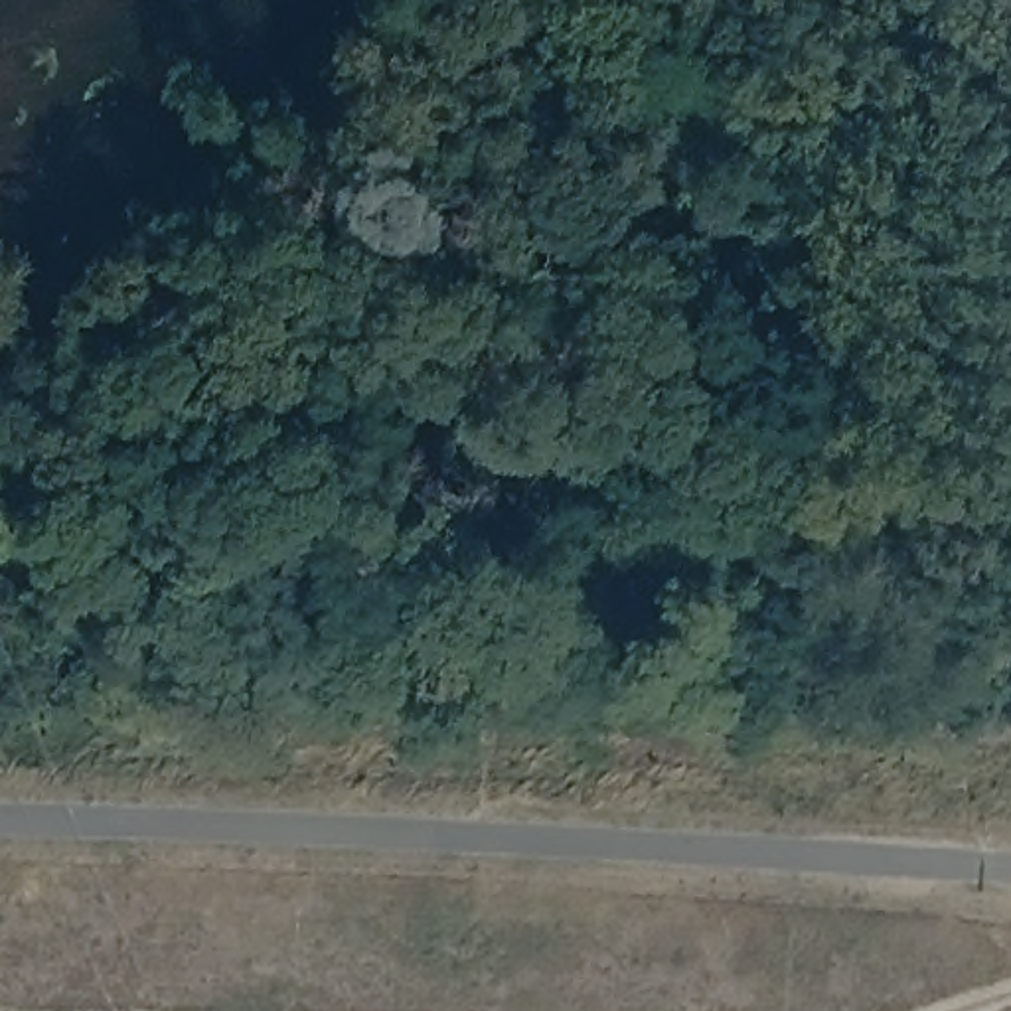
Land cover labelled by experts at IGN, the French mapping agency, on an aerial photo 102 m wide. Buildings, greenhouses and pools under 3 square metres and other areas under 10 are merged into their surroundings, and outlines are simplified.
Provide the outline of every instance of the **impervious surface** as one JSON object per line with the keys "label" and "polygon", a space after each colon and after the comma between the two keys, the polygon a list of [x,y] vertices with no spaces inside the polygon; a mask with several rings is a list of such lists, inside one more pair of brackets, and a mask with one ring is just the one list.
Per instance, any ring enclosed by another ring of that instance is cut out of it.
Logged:
{"label": "impervious surface", "polygon": [[928,877],[975,881],[979,893],[987,889],[987,881],[1011,885],[1011,853],[537,829],[403,817],[0,806],[0,841],[12,833],[182,837],[194,845],[257,841],[265,849],[359,845],[438,853],[533,853],[581,861],[616,857],[663,865],[746,865],[853,877]]}

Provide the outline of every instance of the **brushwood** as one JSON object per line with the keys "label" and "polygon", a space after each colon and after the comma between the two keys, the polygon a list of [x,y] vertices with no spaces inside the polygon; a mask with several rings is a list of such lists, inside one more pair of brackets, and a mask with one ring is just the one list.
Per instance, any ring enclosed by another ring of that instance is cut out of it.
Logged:
{"label": "brushwood", "polygon": [[111,742],[95,750],[83,746],[55,766],[63,782],[75,782],[79,770],[91,770],[95,778],[146,782],[150,774],[162,774],[166,766],[178,766],[186,754],[194,754],[190,727],[162,727],[146,715],[126,715]]}

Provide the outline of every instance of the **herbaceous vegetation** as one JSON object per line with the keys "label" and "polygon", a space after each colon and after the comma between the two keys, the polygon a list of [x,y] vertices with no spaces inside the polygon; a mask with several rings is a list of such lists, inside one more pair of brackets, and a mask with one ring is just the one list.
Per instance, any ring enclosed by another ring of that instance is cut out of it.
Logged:
{"label": "herbaceous vegetation", "polygon": [[174,336],[174,328],[186,320],[186,296],[158,284],[134,316],[83,332],[87,363],[107,367],[126,355],[142,355]]}
{"label": "herbaceous vegetation", "polygon": [[766,284],[746,261],[750,241],[719,237],[711,245],[715,269],[731,276],[731,288],[742,296],[742,304],[758,300]]}
{"label": "herbaceous vegetation", "polygon": [[466,292],[478,280],[474,249],[434,249],[411,257],[379,253],[348,229],[344,217],[336,217],[336,209],[320,209],[316,225],[324,233],[324,253],[355,249],[363,261],[379,265],[391,276],[403,276],[403,284],[423,288],[438,304],[446,296]]}
{"label": "herbaceous vegetation", "polygon": [[545,727],[533,742],[517,742],[506,723],[486,727],[478,739],[462,742],[450,742],[442,735],[355,731],[344,750],[328,750],[300,739],[288,746],[253,746],[249,754],[221,762],[197,762],[194,754],[186,754],[178,766],[166,766],[162,774],[150,774],[146,782],[95,778],[91,770],[79,770],[75,782],[63,782],[55,766],[0,770],[0,806],[403,817],[537,829],[1011,853],[1011,723],[983,723],[972,735],[956,735],[940,719],[932,719],[932,727],[920,739],[893,739],[889,746],[873,750],[861,739],[806,735],[806,742],[786,742],[782,735],[774,735],[770,750],[739,758],[695,746],[687,731],[679,731],[675,739],[656,739],[648,727]]}
{"label": "herbaceous vegetation", "polygon": [[434,506],[450,513],[450,525],[470,541],[486,541],[490,549],[498,541],[525,545],[537,521],[545,517],[537,494],[521,478],[478,470],[458,442],[446,438],[442,427],[423,423],[415,442],[407,446],[407,462],[419,474],[395,525],[419,525],[423,513]]}
{"label": "herbaceous vegetation", "polygon": [[581,387],[588,344],[577,328],[584,316],[596,312],[612,284],[592,284],[573,304],[565,296],[569,269],[557,261],[553,332],[541,344],[541,355],[509,359],[498,351],[478,351],[478,391],[466,391],[462,399],[470,427],[498,423],[498,403],[513,395],[525,379],[541,379],[537,395],[529,399],[533,407],[549,395],[549,387]]}
{"label": "herbaceous vegetation", "polygon": [[596,624],[608,640],[683,640],[675,624],[663,620],[663,588],[671,577],[691,581],[695,600],[711,604],[707,561],[687,557],[679,549],[652,549],[644,561],[620,569],[608,581],[604,612],[596,616]]}
{"label": "herbaceous vegetation", "polygon": [[367,83],[359,79],[340,95],[332,87],[312,91],[296,103],[304,130],[332,134],[340,126],[351,126],[351,111],[359,111]]}
{"label": "herbaceous vegetation", "polygon": [[916,36],[916,12],[908,12],[896,20],[893,32],[881,32],[885,43],[900,51],[908,67],[920,63],[924,51],[948,59],[952,43],[940,36]]}
{"label": "herbaceous vegetation", "polygon": [[359,845],[265,849],[257,841],[194,845],[182,837],[12,833],[0,841],[0,1011],[940,1011],[936,1003],[944,995],[1011,979],[1011,885],[987,881],[987,889],[979,893],[975,881],[928,877],[853,877],[746,865],[663,865],[616,857],[581,861],[533,853],[438,853]]}
{"label": "herbaceous vegetation", "polygon": [[715,174],[723,162],[742,162],[750,154],[750,146],[742,146],[723,126],[687,118],[679,142],[660,166],[660,186],[667,197],[679,197],[675,174],[687,162],[703,174]]}
{"label": "herbaceous vegetation", "polygon": [[8,529],[16,521],[32,525],[32,506],[51,506],[59,498],[55,490],[36,490],[32,474],[24,470],[0,474],[0,494]]}
{"label": "herbaceous vegetation", "polygon": [[628,237],[695,233],[691,209],[660,205],[624,229]]}

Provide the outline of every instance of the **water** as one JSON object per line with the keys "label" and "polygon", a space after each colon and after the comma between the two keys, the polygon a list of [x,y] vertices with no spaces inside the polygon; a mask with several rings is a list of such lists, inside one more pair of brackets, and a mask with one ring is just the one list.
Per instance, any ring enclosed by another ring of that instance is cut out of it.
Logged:
{"label": "water", "polygon": [[332,87],[336,43],[348,36],[359,43],[363,16],[375,12],[367,0],[0,0],[0,261],[4,269],[16,269],[28,261],[24,332],[32,340],[59,344],[55,316],[63,296],[83,284],[87,265],[118,261],[122,245],[130,241],[122,217],[126,205],[150,205],[162,194],[162,182],[190,186],[194,178],[217,174],[221,166],[233,170],[217,142],[194,142],[182,115],[162,103],[170,67],[205,67],[233,103],[233,111],[241,103],[276,95],[288,95],[296,103],[312,91]]}

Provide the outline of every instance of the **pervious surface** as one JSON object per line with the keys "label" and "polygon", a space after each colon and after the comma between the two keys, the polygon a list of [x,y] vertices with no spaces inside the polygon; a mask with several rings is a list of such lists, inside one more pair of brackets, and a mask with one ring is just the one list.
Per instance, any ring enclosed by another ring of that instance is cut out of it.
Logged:
{"label": "pervious surface", "polygon": [[1011,1011],[1011,979],[944,995],[936,1003],[940,1011]]}

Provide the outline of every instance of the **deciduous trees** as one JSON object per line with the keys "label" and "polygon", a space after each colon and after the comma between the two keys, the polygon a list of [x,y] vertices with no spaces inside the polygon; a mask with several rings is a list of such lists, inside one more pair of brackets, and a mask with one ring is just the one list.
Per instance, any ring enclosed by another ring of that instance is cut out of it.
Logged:
{"label": "deciduous trees", "polygon": [[[55,316],[59,344],[32,340],[24,332],[28,261],[16,269],[4,269],[0,261],[0,474],[24,470],[32,474],[36,490],[55,490],[59,498],[51,506],[32,506],[32,525],[16,521],[8,529],[0,494],[0,770],[55,766],[83,746],[95,750],[111,742],[126,715],[146,715],[162,727],[190,727],[194,754],[197,762],[221,762],[249,754],[253,746],[288,746],[300,739],[328,750],[344,750],[355,731],[442,735],[450,742],[462,742],[478,739],[486,727],[506,723],[517,742],[533,742],[545,727],[648,727],[656,739],[675,739],[679,731],[687,731],[695,746],[739,758],[770,750],[774,735],[782,735],[786,742],[806,742],[806,735],[861,739],[873,750],[889,746],[893,739],[920,739],[932,727],[932,719],[940,719],[956,735],[972,735],[983,723],[1011,723],[1011,0],[367,0],[375,12],[363,16],[359,43],[348,36],[336,43],[332,87],[340,95],[359,79],[367,83],[359,111],[351,111],[351,126],[340,126],[332,134],[304,130],[296,103],[288,95],[276,95],[241,103],[233,111],[233,103],[205,67],[170,67],[162,103],[182,115],[194,142],[217,142],[233,170],[221,166],[217,174],[194,178],[190,186],[162,182],[162,194],[150,205],[126,205],[122,217],[130,241],[122,245],[118,261],[87,265],[83,284],[63,296]],[[885,43],[881,32],[893,32],[896,20],[908,12],[916,12],[916,36],[940,36],[952,43],[948,59],[924,51],[920,63],[908,67],[900,51]],[[687,162],[675,174],[679,197],[667,197],[660,186],[660,166],[679,142],[687,118],[723,126],[742,146],[750,146],[750,154],[742,162],[723,162],[715,174],[703,174]],[[624,229],[660,205],[691,209],[695,233],[628,237]],[[403,276],[391,276],[379,265],[363,261],[355,249],[324,253],[324,233],[316,225],[320,209],[336,209],[336,217],[344,217],[348,229],[379,253],[411,257],[434,249],[474,249],[478,280],[466,292],[446,296],[438,304],[423,288],[403,284]],[[711,245],[719,237],[750,241],[746,261],[766,284],[758,300],[742,304],[742,296],[731,288],[731,276],[715,269]],[[541,344],[553,332],[557,261],[569,269],[565,296],[573,304],[592,284],[612,284],[596,312],[584,316],[577,328],[588,344],[581,387],[549,387],[549,395],[533,407],[529,399],[537,395],[541,379],[525,379],[513,395],[498,403],[498,423],[470,427],[462,399],[466,391],[478,391],[478,351],[498,351],[509,359],[541,355]],[[126,355],[107,367],[87,363],[83,332],[134,316],[158,284],[186,296],[186,320],[174,328],[174,336],[142,355]],[[537,494],[545,517],[537,521],[525,545],[498,541],[490,549],[486,541],[470,541],[450,525],[450,513],[434,506],[423,513],[419,525],[395,525],[419,474],[407,462],[407,446],[415,442],[423,423],[442,427],[446,438],[458,442],[478,470],[521,478]],[[596,616],[604,612],[608,581],[620,569],[644,561],[652,549],[679,549],[687,557],[707,561],[711,604],[695,600],[691,581],[671,577],[663,588],[663,620],[675,624],[683,640],[608,640],[596,624]]]}

